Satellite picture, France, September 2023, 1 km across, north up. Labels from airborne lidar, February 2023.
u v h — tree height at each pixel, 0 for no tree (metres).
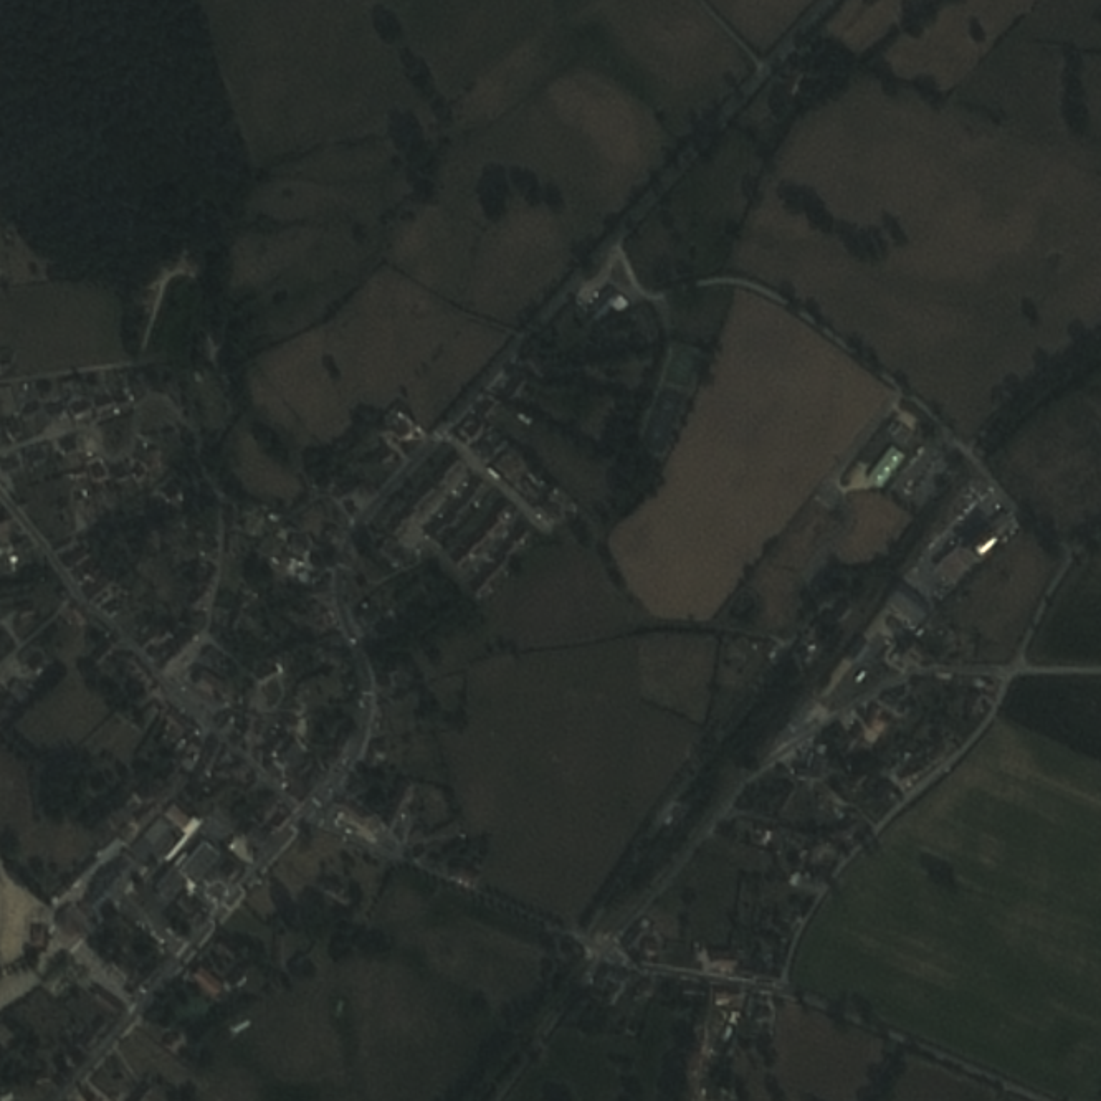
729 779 0
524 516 0
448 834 0
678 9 0
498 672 0
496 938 0
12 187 21
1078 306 0
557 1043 0
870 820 0
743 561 0
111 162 24
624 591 0
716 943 0
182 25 16
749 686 0
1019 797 0
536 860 0
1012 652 0
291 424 0
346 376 0
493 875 0
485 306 0
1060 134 0
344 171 0
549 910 0
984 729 0
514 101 0
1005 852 0
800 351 0
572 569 0
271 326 0
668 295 19
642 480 15
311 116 0
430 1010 0
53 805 16
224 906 0
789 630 0
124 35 15
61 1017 0
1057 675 0
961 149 0
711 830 0
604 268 0
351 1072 0
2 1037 0
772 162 15
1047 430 0
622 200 0
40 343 0
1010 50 0
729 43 0
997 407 17
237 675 12
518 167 0
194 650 0
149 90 16
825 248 0
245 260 0
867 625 0
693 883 0
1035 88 0
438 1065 0
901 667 0
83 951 0
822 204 19
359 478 11
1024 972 0
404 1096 0
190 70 18
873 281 0
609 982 13
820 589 15
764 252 0
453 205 0
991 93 0
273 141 0
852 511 0
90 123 18
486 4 0
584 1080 0
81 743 0
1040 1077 0
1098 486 0
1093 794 0
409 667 8
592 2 0
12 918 0
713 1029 0
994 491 0
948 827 0
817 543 0
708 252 0
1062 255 0
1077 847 0
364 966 0
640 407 9
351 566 0
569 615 0
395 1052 0
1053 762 0
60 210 35
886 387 0
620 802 0
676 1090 22
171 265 0
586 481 0
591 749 0
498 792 0
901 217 0
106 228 29
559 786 0
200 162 19
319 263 0
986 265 0
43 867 10
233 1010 17
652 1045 0
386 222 6
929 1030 0
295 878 0
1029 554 0
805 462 0
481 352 0
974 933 0
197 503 13
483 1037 0
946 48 0
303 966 8
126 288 14
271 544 0
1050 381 14
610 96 0
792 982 0
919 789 0
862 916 0
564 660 0
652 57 0
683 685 0
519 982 0
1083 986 0
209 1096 0
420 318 0
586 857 0
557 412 0
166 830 0
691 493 0
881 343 0
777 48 0
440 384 0
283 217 0
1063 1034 0
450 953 0
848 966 0
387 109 0
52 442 0
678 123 0
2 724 15
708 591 0
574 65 0
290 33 0
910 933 0
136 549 11
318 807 0
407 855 6
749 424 0
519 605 0
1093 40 0
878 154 0
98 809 15
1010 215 0
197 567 10
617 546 0
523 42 0
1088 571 0
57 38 19
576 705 0
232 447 0
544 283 0
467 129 0
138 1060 0
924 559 0
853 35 0
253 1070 0
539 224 0
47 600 0
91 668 8
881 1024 0
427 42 0
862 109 0
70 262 16
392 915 0
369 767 7
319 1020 0
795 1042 0
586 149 0
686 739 0
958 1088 0
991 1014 0
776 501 0
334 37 0
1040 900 0
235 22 0
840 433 0
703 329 0
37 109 17
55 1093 0
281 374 0
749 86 0
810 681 0
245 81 0
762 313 0
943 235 0
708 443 0
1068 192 0
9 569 0
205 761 0
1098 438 0
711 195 0
